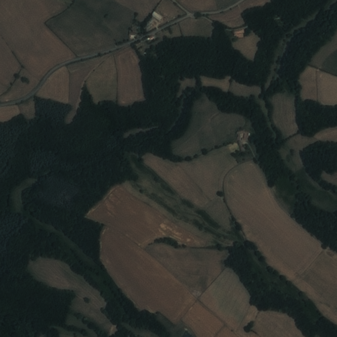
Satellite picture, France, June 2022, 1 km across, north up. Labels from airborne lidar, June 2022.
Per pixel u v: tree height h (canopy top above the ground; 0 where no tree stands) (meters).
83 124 15
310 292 0
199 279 0
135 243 0
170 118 27
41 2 0
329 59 0
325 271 0
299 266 0
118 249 0
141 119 21
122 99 0
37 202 26
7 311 16
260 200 0
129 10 0
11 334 7
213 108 0
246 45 0
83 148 15
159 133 22
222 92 17
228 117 0
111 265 0
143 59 14
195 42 21
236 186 0
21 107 0
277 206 0
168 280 0
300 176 0
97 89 0
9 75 0
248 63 17
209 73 26
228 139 0
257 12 18
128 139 19
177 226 0
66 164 20
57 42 0
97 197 21
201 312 0
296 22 26
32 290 17
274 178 19
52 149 21
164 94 18
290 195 0
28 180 0
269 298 24
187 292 0
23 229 25
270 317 0
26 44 0
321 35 23
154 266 0
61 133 20
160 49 15
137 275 0
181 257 0
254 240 0
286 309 18
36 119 7
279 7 17
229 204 0
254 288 19
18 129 23
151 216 0
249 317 0
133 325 21
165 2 0
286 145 0
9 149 17
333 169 10
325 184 20
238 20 0
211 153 0
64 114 15
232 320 0
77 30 0
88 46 0
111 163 23
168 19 0
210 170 0
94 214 0
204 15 11
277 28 26
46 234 25
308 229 16
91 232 20
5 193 27
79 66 0
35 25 0
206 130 0
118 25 0
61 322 17
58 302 14
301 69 20
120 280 0
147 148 22
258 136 21
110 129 10
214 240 0
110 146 19
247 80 22
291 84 10
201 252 0
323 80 0
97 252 18
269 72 22
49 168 16
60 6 0
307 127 15
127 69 0
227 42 16
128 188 0
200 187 0
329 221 17
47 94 0
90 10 0
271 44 19
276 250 0
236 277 0
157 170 0
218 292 0
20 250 22
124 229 0
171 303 0
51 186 23
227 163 0
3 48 0
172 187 0
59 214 24
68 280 0
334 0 0
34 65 0
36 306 15
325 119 16
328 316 0
